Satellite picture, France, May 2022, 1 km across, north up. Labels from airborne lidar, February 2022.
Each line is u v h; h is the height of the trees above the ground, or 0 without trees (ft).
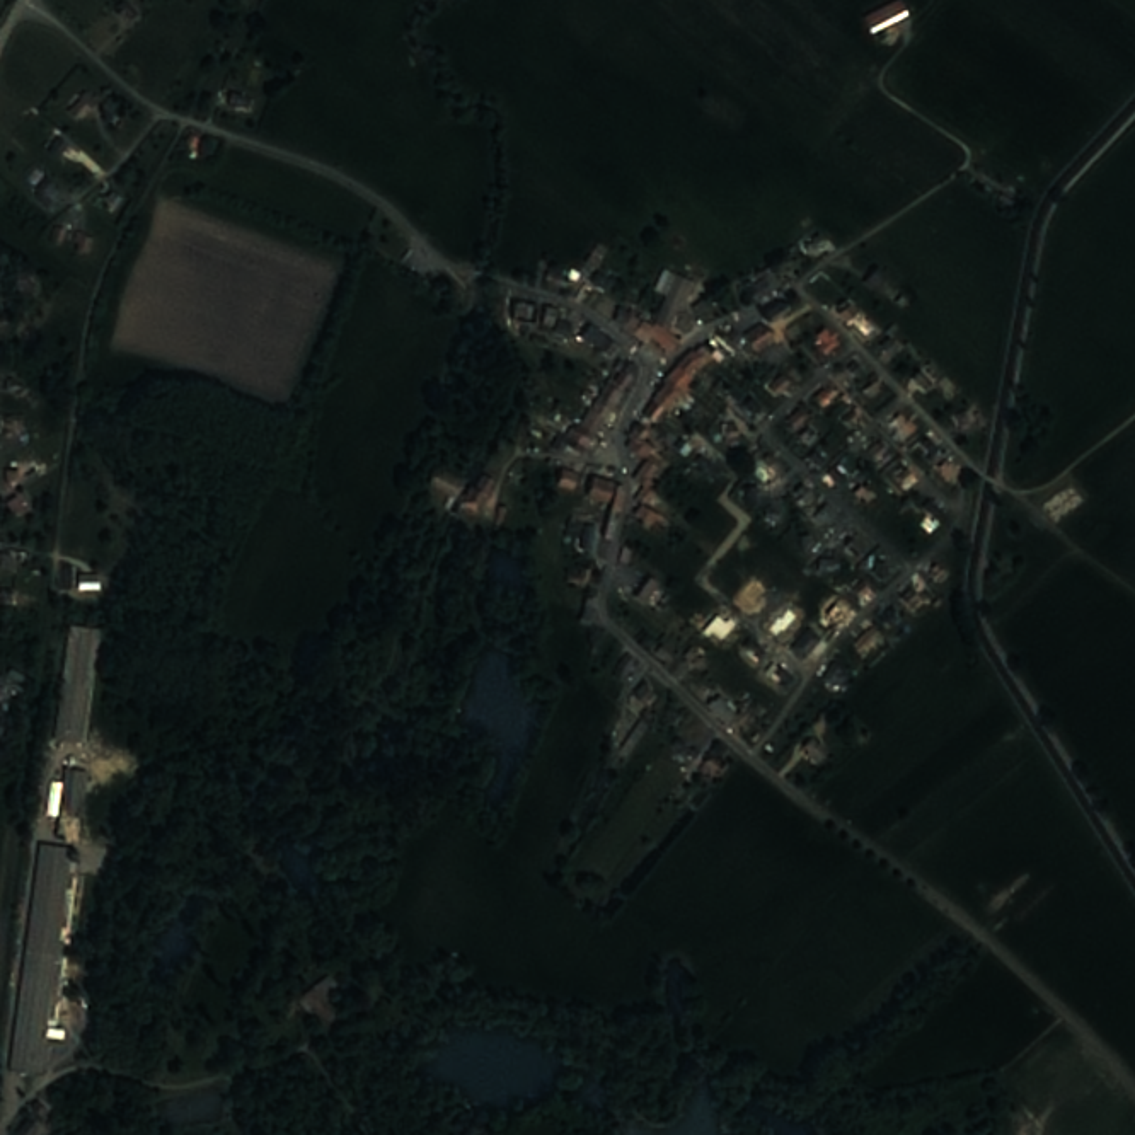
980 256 0
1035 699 0
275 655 65
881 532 0
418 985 49
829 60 0
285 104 0
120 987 74
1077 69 0
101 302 24
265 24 78
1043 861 0
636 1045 62
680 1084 60
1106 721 0
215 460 68
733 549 0
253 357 0
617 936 0
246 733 30
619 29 0
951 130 0
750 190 0
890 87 0
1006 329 0
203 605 83
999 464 0
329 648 75
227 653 50
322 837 62
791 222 0
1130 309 0
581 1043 73
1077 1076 0
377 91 0
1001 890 0
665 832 0
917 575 0
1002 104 0
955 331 0
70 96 0
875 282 0
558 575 0
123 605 71
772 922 0
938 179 0
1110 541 0
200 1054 68
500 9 0
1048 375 0
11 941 0
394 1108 74
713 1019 0
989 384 0
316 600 0
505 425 59
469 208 0
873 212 0
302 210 0
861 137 0
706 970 0
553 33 0
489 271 38
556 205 0
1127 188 0
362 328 0
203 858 68
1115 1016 0
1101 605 0
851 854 0
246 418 75
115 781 0
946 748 0
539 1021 70
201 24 0
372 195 0
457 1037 0
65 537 0
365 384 0
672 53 0
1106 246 0
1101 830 0
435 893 0
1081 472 0
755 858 0
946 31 0
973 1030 0
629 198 0
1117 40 0
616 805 0
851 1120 47
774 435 0
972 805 0
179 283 0
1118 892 0
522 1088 0
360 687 73
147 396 81
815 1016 0
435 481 0
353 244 38
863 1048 82
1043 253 0
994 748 0
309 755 79
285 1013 52
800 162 0
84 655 0
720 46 0
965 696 0
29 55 0
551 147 0
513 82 0
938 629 0
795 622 0
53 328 0
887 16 0
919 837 0
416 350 0
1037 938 0
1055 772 0
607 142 0
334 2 0
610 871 0
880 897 0
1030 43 0
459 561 69
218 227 0
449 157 0
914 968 0
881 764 0
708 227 0
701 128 0
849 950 0
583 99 0
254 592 0
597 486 0
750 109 0
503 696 0
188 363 0
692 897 0
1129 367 0
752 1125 56
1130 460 0
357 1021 94
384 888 65
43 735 49
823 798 0
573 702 0
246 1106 57
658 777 0
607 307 0
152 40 0
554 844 0
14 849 0
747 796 0
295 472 21
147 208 0
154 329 0
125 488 67
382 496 0
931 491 0
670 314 0
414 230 0
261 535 0
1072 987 0
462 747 56
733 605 0
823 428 0
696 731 0
